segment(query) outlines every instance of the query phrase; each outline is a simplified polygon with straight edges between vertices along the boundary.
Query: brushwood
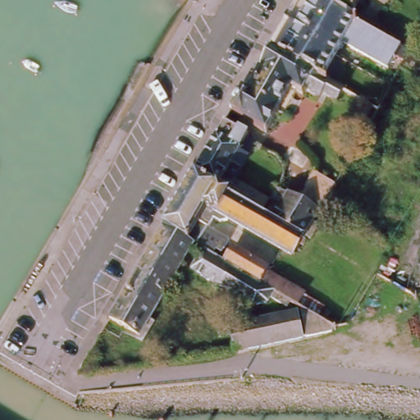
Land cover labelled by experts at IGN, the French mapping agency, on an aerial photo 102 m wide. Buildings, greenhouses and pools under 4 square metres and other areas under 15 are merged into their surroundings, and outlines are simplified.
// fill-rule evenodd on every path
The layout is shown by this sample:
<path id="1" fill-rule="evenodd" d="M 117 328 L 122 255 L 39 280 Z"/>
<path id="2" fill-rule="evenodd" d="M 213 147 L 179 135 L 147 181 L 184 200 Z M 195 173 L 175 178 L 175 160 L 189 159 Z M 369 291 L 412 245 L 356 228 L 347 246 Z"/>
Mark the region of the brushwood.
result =
<path id="1" fill-rule="evenodd" d="M 172 279 L 180 284 L 179 300 L 189 299 L 190 292 L 194 292 L 195 289 L 215 292 L 220 285 L 197 276 L 190 267 L 180 266 Z"/>
<path id="2" fill-rule="evenodd" d="M 340 203 L 351 202 L 356 205 L 358 212 L 363 213 L 364 217 L 371 221 L 372 230 L 386 238 L 390 253 L 382 253 L 389 261 L 394 259 L 394 274 L 399 274 L 404 269 L 402 256 L 405 256 L 407 243 L 412 240 L 412 236 L 420 238 L 420 75 L 413 74 L 412 69 L 402 64 L 399 64 L 397 69 L 400 74 L 390 84 L 397 92 L 397 97 L 390 112 L 389 128 L 384 136 L 376 138 L 376 144 L 369 156 L 353 162 L 341 156 L 340 162 L 346 172 L 336 171 L 330 177 L 333 180 L 333 187 L 326 195 L 328 200 L 340 200 Z"/>
<path id="3" fill-rule="evenodd" d="M 112 359 L 108 353 L 107 343 L 98 340 L 79 367 L 84 379 L 148 371 L 159 367 L 215 363 L 233 358 L 240 348 L 238 343 L 233 343 L 230 338 L 225 338 L 228 331 L 217 317 L 217 302 L 220 297 L 205 300 L 203 308 L 207 322 L 217 330 L 220 338 L 208 341 L 189 340 L 182 348 L 184 353 L 176 354 L 174 361 L 166 363 L 149 363 L 139 356 L 123 354 L 120 358 Z"/>
<path id="4" fill-rule="evenodd" d="M 420 16 L 409 18 L 405 36 L 399 39 L 399 43 L 405 46 L 405 52 L 420 61 Z"/>

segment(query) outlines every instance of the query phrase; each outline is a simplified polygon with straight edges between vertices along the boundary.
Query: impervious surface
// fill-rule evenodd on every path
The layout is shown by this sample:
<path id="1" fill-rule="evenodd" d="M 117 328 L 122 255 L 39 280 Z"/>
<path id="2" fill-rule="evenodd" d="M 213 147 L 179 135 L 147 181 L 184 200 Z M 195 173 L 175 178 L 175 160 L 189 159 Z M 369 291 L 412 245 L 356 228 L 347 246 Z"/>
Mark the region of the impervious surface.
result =
<path id="1" fill-rule="evenodd" d="M 256 126 L 253 130 L 246 130 L 238 153 L 251 157 L 256 143 L 276 151 L 281 156 L 299 148 L 297 141 L 302 131 L 313 120 L 313 116 L 322 110 L 325 102 L 317 94 L 295 94 L 287 107 L 287 112 L 277 113 L 272 125 L 267 125 L 264 133 Z"/>
<path id="2" fill-rule="evenodd" d="M 185 7 L 180 10 L 176 23 L 162 39 L 153 62 L 136 66 L 123 102 L 103 131 L 74 197 L 62 213 L 56 230 L 52 231 L 49 240 L 34 259 L 33 267 L 18 287 L 15 299 L 0 318 L 0 367 L 48 394 L 52 399 L 59 400 L 69 409 L 77 410 L 75 399 L 79 399 L 80 392 L 85 390 L 238 379 L 249 374 L 277 374 L 297 377 L 302 381 L 328 381 L 384 389 L 397 386 L 420 389 L 420 372 L 410 371 L 407 367 L 392 369 L 381 364 L 354 367 L 345 359 L 308 363 L 304 358 L 276 359 L 256 356 L 253 353 L 256 349 L 272 348 L 317 336 L 330 336 L 333 328 L 240 348 L 233 358 L 215 363 L 159 367 L 148 371 L 84 379 L 79 367 L 98 340 L 107 323 L 112 323 L 112 308 L 115 307 L 116 300 L 125 295 L 125 290 L 130 289 L 131 276 L 141 258 L 148 254 L 156 261 L 161 256 L 159 248 L 164 244 L 167 246 L 171 241 L 167 238 L 166 228 L 162 226 L 164 220 L 157 217 L 156 210 L 167 197 L 176 200 L 177 189 L 187 184 L 187 179 L 195 169 L 195 159 L 207 148 L 208 141 L 217 141 L 218 138 L 213 135 L 213 131 L 217 131 L 223 123 L 213 112 L 213 107 L 223 92 L 238 89 L 241 82 L 246 79 L 243 72 L 236 69 L 251 51 L 246 43 L 258 43 L 262 21 L 269 18 L 271 11 L 276 8 L 276 0 L 184 0 Z"/>
<path id="3" fill-rule="evenodd" d="M 420 285 L 415 284 L 415 277 L 410 274 L 399 274 L 394 274 L 394 259 L 389 261 L 379 269 L 377 279 L 384 282 L 392 279 L 395 284 L 402 285 L 405 289 L 420 292 Z"/>
<path id="4" fill-rule="evenodd" d="M 336 61 L 345 62 L 353 67 L 353 71 L 364 57 L 353 54 L 348 48 L 338 48 L 335 57 Z"/>

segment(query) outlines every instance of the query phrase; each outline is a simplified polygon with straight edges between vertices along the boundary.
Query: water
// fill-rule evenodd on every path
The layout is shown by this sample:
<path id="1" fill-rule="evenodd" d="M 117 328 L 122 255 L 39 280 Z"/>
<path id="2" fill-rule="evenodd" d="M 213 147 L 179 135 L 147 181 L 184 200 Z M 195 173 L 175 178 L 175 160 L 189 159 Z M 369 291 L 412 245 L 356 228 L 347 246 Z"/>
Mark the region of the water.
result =
<path id="1" fill-rule="evenodd" d="M 371 413 L 336 413 L 330 410 L 304 412 L 297 410 L 297 407 L 287 407 L 284 412 L 276 412 L 266 420 L 384 420 Z"/>
<path id="2" fill-rule="evenodd" d="M 0 318 L 15 299 L 18 287 L 33 267 L 34 259 L 49 240 L 52 231 L 56 230 L 62 213 L 74 197 L 103 131 L 123 102 L 136 66 L 136 59 L 153 52 L 154 46 L 161 39 L 172 15 L 179 7 L 179 0 L 0 0 Z"/>
<path id="3" fill-rule="evenodd" d="M 52 399 L 48 394 L 0 367 L 0 420 L 144 420 L 131 415 L 108 417 L 105 413 L 77 410 L 69 409 L 59 400 Z"/>

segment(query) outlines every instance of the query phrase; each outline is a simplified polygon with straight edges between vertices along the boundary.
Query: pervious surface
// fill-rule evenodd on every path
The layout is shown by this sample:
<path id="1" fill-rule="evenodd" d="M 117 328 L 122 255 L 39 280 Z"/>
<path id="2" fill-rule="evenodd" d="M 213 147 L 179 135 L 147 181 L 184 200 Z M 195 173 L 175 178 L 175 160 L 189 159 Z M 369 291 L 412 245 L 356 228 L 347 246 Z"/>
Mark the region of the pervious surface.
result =
<path id="1" fill-rule="evenodd" d="M 420 238 L 412 236 L 412 240 L 407 243 L 405 256 L 402 256 L 404 269 L 399 274 L 410 274 L 415 277 L 415 284 L 420 285 Z"/>
<path id="2" fill-rule="evenodd" d="M 336 413 L 371 413 L 384 420 L 420 420 L 420 389 L 397 386 L 384 389 L 328 381 L 302 381 L 297 377 L 277 374 L 249 374 L 238 379 L 85 390 L 80 392 L 79 399 L 75 399 L 77 410 L 105 413 L 108 417 L 131 415 L 144 420 L 266 420 L 276 412 L 284 412 L 287 407 L 297 407 L 297 410 L 304 412 L 330 410 Z"/>

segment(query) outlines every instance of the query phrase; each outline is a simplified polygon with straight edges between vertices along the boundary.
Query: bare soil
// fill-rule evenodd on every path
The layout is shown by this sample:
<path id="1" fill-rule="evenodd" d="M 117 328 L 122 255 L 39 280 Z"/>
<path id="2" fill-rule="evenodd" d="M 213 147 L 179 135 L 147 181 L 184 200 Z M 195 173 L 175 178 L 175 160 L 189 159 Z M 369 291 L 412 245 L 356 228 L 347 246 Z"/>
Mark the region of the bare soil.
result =
<path id="1" fill-rule="evenodd" d="M 179 0 L 179 7 L 172 15 L 161 39 L 154 46 L 153 52 L 136 59 L 136 66 L 153 62 L 162 39 L 176 23 L 180 10 L 185 7 L 184 0 Z"/>
<path id="2" fill-rule="evenodd" d="M 382 322 L 354 325 L 346 335 L 330 336 L 317 336 L 272 348 L 256 349 L 253 353 L 256 356 L 276 359 L 304 358 L 308 363 L 345 359 L 354 367 L 381 364 L 392 369 L 407 367 L 410 371 L 420 372 L 420 348 L 412 345 L 413 335 L 409 328 L 402 335 L 395 333 L 395 320 L 390 315 Z"/>

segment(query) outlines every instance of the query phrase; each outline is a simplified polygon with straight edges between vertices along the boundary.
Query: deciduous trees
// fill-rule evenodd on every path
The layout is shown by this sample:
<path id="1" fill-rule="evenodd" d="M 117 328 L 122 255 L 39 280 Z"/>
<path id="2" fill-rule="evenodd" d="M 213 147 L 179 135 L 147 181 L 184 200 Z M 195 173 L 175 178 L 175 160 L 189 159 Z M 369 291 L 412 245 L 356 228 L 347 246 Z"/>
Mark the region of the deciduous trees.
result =
<path id="1" fill-rule="evenodd" d="M 184 259 L 180 259 L 180 266 L 190 267 L 194 259 L 202 258 L 202 249 L 197 248 L 195 244 L 189 246 L 189 254 Z"/>
<path id="2" fill-rule="evenodd" d="M 180 284 L 172 279 L 161 290 L 161 300 L 164 304 L 174 305 L 179 300 Z"/>
<path id="3" fill-rule="evenodd" d="M 372 230 L 371 221 L 364 217 L 363 213 L 358 212 L 356 205 L 351 202 L 340 203 L 340 200 L 328 200 L 326 195 L 318 194 L 317 210 L 313 212 L 315 225 L 315 228 L 325 235 L 349 236 L 382 253 L 390 253 L 386 238 Z"/>

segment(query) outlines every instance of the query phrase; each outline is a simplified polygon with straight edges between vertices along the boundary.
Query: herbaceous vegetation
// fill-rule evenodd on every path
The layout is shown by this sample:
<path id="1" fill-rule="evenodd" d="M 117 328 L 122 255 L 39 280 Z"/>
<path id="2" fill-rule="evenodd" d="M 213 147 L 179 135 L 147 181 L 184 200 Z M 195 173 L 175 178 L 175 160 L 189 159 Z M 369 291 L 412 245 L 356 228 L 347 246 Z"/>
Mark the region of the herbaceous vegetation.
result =
<path id="1" fill-rule="evenodd" d="M 346 172 L 340 162 L 341 156 L 330 148 L 330 121 L 359 118 L 366 125 L 371 125 L 376 138 L 384 136 L 389 128 L 390 112 L 397 97 L 397 92 L 390 84 L 400 74 L 397 69 L 381 69 L 364 57 L 353 71 L 353 67 L 345 62 L 336 61 L 335 57 L 326 69 L 328 82 L 336 87 L 348 87 L 356 94 L 354 97 L 338 94 L 338 97 L 325 102 L 322 110 L 313 116 L 313 120 L 302 131 L 297 141 L 299 148 L 317 171 L 330 177 L 336 171 Z"/>
<path id="2" fill-rule="evenodd" d="M 128 335 L 121 326 L 112 323 L 107 323 L 98 340 L 107 343 L 108 353 L 112 359 L 120 358 L 123 354 L 139 356 L 139 341 Z"/>
<path id="3" fill-rule="evenodd" d="M 269 302 L 253 305 L 248 313 L 248 317 L 253 320 L 261 313 L 284 312 L 284 304 Z"/>
<path id="4" fill-rule="evenodd" d="M 207 322 L 203 308 L 205 300 L 220 297 L 225 297 L 230 292 L 220 285 L 215 292 L 195 289 L 194 292 L 190 292 L 189 299 L 179 300 L 174 305 L 164 304 L 161 300 L 161 307 L 153 313 L 154 323 L 146 336 L 149 340 L 159 341 L 159 345 L 164 345 L 167 340 L 174 340 L 182 348 L 189 340 L 208 341 L 220 338 L 217 330 Z"/>
<path id="5" fill-rule="evenodd" d="M 420 292 L 405 289 L 402 285 L 395 284 L 392 279 L 384 282 L 377 279 L 379 269 L 389 261 L 382 253 L 349 236 L 325 235 L 315 228 L 315 225 L 308 228 L 302 251 L 294 249 L 294 253 L 285 256 L 284 259 L 287 264 L 299 267 L 300 271 L 310 274 L 313 277 L 313 287 L 322 290 L 323 294 L 328 295 L 333 302 L 343 308 L 346 322 L 336 323 L 333 328 L 330 336 L 346 335 L 354 325 L 382 322 L 390 315 L 395 320 L 395 333 L 402 335 L 409 328 L 413 335 L 412 345 L 420 348 Z"/>
<path id="6" fill-rule="evenodd" d="M 356 15 L 361 20 L 399 39 L 405 36 L 409 18 L 420 16 L 420 0 L 354 0 Z"/>
<path id="7" fill-rule="evenodd" d="M 248 184 L 254 190 L 258 190 L 259 194 L 266 195 L 266 202 L 262 203 L 264 207 L 272 208 L 284 202 L 281 194 L 272 189 L 271 185 L 272 174 L 281 172 L 285 167 L 285 161 L 281 156 L 276 151 L 256 143 L 251 157 L 244 166 L 230 162 L 225 174 L 218 180 L 228 182 L 231 187 L 236 187 L 240 182 Z"/>

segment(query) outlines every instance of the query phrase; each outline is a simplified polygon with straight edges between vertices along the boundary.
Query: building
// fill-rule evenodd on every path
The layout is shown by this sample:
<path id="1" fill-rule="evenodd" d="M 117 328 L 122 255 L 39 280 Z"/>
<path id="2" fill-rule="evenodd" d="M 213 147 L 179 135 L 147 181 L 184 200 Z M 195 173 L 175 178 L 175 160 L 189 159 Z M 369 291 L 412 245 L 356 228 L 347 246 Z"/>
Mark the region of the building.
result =
<path id="1" fill-rule="evenodd" d="M 264 133 L 267 125 L 272 125 L 277 113 L 287 112 L 287 107 L 295 94 L 317 94 L 325 102 L 338 97 L 338 94 L 354 97 L 356 94 L 348 87 L 336 87 L 328 82 L 326 69 L 335 57 L 338 48 L 348 48 L 353 54 L 364 57 L 381 69 L 397 69 L 399 64 L 402 64 L 412 69 L 413 74 L 420 75 L 420 61 L 405 52 L 405 46 L 399 43 L 399 39 L 361 20 L 356 15 L 354 0 L 276 0 L 276 8 L 271 11 L 269 18 L 262 21 L 258 43 L 246 43 L 251 51 L 236 69 L 243 72 L 246 79 L 241 82 L 238 89 L 223 92 L 213 107 L 213 112 L 223 123 L 217 131 L 213 131 L 213 135 L 218 138 L 217 141 L 208 141 L 207 148 L 195 159 L 195 169 L 187 179 L 187 184 L 177 189 L 176 200 L 167 197 L 156 210 L 157 217 L 164 220 L 162 226 L 166 228 L 167 238 L 171 241 L 167 246 L 164 244 L 159 248 L 161 256 L 156 261 L 148 254 L 141 258 L 131 276 L 130 289 L 125 290 L 125 295 L 116 300 L 115 307 L 112 308 L 112 323 L 121 326 L 128 335 L 139 341 L 146 336 L 154 323 L 153 313 L 161 307 L 161 300 L 161 290 L 172 279 L 180 266 L 180 259 L 184 259 L 189 254 L 189 246 L 195 244 L 197 248 L 202 249 L 202 258 L 194 259 L 190 267 L 197 276 L 220 285 L 230 292 L 231 297 L 251 300 L 253 305 L 269 302 L 284 304 L 284 312 L 261 313 L 253 320 L 256 328 L 233 333 L 230 338 L 233 343 L 238 343 L 240 348 L 333 328 L 336 323 L 346 322 L 343 308 L 333 302 L 328 295 L 323 294 L 322 290 L 313 287 L 313 277 L 310 274 L 300 271 L 299 267 L 287 264 L 284 259 L 285 256 L 294 253 L 294 249 L 302 251 L 308 228 L 315 225 L 313 212 L 317 210 L 318 194 L 326 195 L 333 187 L 333 180 L 330 177 L 317 171 L 299 148 L 281 156 L 285 161 L 285 167 L 281 172 L 272 174 L 271 185 L 272 189 L 281 194 L 284 202 L 272 208 L 264 207 L 262 203 L 266 202 L 266 195 L 259 194 L 258 190 L 254 190 L 248 184 L 240 182 L 236 187 L 231 187 L 228 182 L 218 180 L 225 174 L 230 162 L 244 166 L 251 157 L 238 153 L 246 130 L 253 130 L 256 126 Z"/>

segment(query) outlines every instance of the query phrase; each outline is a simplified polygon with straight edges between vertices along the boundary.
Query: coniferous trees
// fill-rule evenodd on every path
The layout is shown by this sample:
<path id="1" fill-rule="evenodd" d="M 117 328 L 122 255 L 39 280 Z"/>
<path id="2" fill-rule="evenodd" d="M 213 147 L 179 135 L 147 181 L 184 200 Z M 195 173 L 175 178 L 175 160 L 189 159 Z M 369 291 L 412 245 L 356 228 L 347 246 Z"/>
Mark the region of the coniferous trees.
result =
<path id="1" fill-rule="evenodd" d="M 149 340 L 146 336 L 139 341 L 139 356 L 149 363 L 166 363 L 174 361 L 176 354 L 184 353 L 182 348 L 174 340 L 167 340 L 164 345 L 159 345 L 159 341 Z"/>
<path id="2" fill-rule="evenodd" d="M 256 328 L 253 320 L 248 317 L 248 313 L 253 305 L 251 300 L 231 297 L 230 292 L 225 297 L 220 297 L 217 302 L 217 317 L 228 331 L 225 338 L 230 338 L 233 333 Z"/>
<path id="3" fill-rule="evenodd" d="M 330 121 L 330 148 L 341 156 L 353 162 L 369 156 L 376 144 L 376 138 L 371 125 L 366 125 L 359 118 Z"/>

